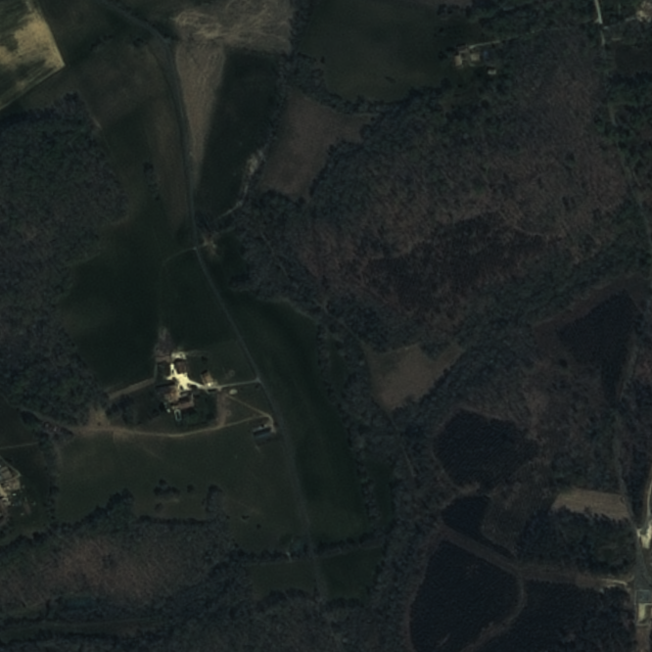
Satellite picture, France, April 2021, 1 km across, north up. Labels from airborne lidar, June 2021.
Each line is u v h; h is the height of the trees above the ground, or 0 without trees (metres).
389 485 0
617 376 6
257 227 18
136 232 0
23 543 19
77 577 14
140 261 0
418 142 18
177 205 0
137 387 0
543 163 15
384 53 0
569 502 0
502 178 8
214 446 0
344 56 0
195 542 19
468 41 0
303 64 7
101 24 0
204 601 16
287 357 0
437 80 0
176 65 0
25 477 0
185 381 0
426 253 6
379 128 9
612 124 9
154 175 18
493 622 6
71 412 12
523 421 16
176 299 0
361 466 15
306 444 0
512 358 9
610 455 11
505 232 14
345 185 15
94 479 0
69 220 21
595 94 9
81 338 0
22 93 0
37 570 20
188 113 0
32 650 14
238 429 0
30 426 21
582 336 7
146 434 0
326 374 11
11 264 17
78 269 0
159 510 9
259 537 0
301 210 14
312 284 13
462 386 18
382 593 17
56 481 8
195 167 0
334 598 0
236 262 0
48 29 0
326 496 0
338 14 0
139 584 16
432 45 0
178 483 0
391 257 18
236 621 21
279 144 0
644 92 19
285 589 0
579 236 17
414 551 11
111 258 0
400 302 6
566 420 13
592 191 16
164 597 19
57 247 22
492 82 17
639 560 0
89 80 0
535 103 12
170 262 0
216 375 0
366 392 15
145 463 0
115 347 0
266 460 0
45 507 8
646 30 16
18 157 19
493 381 12
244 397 0
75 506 0
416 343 11
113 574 12
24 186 24
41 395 17
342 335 13
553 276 18
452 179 16
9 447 0
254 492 0
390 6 0
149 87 0
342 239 10
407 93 0
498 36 14
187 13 0
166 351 0
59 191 24
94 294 0
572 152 8
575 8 10
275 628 19
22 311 24
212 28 0
